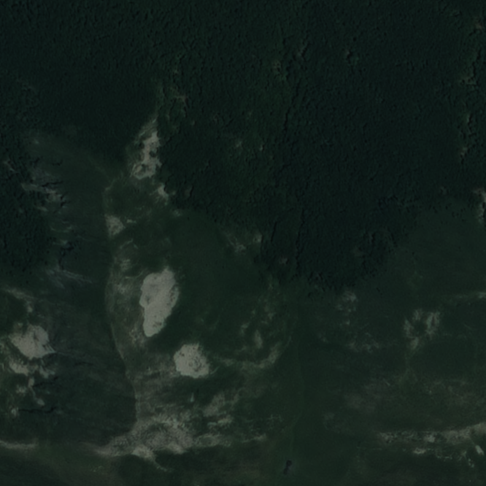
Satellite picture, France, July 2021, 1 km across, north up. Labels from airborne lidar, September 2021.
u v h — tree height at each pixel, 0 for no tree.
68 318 0
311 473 0
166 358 0
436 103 14
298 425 0
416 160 14
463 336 0
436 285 0
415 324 0
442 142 15
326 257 14
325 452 0
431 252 0
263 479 0
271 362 0
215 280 0
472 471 0
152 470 0
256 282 0
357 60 24
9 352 0
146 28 24
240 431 0
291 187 9
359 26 10
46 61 14
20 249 15
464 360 0
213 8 15
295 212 12
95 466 0
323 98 14
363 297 0
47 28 15
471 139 18
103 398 0
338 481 0
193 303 0
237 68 17
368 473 0
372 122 17
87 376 0
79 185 0
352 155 18
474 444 0
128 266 0
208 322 0
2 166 10
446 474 0
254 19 15
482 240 0
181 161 16
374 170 16
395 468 0
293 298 0
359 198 16
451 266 0
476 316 0
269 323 0
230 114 19
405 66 19
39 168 0
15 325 0
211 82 14
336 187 12
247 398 0
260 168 16
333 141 16
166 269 0
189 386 0
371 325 0
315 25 15
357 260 11
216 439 0
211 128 17
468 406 0
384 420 0
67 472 0
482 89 20
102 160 0
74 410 0
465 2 12
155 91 11
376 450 0
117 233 0
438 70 21
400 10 14
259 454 0
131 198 0
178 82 17
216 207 14
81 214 0
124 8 20
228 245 0
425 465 0
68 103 10
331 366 0
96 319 0
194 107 17
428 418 0
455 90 14
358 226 13
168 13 16
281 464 0
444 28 16
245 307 0
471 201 8
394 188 14
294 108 14
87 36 14
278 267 13
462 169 16
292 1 14
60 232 0
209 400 0
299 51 18
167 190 10
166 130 16
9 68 11
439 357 0
